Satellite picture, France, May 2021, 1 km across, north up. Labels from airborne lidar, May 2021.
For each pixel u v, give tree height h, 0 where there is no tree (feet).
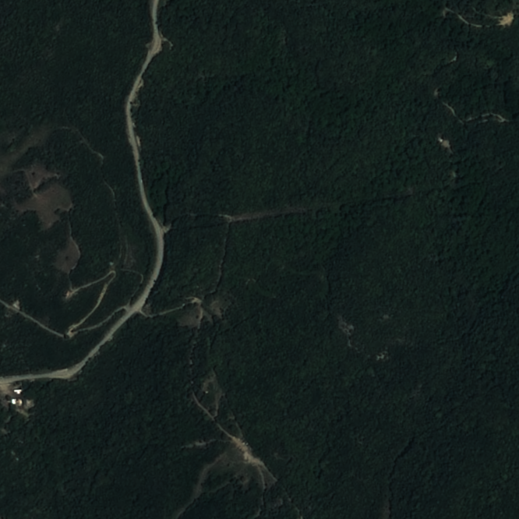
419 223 43
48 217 0
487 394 61
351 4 46
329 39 31
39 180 0
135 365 35
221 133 52
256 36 40
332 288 40
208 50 51
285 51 33
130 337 27
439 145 23
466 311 19
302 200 50
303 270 27
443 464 31
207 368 35
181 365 33
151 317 29
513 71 43
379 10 39
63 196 0
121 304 24
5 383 0
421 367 46
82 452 34
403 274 32
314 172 46
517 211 21
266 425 30
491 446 28
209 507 33
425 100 49
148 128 30
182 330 28
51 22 20
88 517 26
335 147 58
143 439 40
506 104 49
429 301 46
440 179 41
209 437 19
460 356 46
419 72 63
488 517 38
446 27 67
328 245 21
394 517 34
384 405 34
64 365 22
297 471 34
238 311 30
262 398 25
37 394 47
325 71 38
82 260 19
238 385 37
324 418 43
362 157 50
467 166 68
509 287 50
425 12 30
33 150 24
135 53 26
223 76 36
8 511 30
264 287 31
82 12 26
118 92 34
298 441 25
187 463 26
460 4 47
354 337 20
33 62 20
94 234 26
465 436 31
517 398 49
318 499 33
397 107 54
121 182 27
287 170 32
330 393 19
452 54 53
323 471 40
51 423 40
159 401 34
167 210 52
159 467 31
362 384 39
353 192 58
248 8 56
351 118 55
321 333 33
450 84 53
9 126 26
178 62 34
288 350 33
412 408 32
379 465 39
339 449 35
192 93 52
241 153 29
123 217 31
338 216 61
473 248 31
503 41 21
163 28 45
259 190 37
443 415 27
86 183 23
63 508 32
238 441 0
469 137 28
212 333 23
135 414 44
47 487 45
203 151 43
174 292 43
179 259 23
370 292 21
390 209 51
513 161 18
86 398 24
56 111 24
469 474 29
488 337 49
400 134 38
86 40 22
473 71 62
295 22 55
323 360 35
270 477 0
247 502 23
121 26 28
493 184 22
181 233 20
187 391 23
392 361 25
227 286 39
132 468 34
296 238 54
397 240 28
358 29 54
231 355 42
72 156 24
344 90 56
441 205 48
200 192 42
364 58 53
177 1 76
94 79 27
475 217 37
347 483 34
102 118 33
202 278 33
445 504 29
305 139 36
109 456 29
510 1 37
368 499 22
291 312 30
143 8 24
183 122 46
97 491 22
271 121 40
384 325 23
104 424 19
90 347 20
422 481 37
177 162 54
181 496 22
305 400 38
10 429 19
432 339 47
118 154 24
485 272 41
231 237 43
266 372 33
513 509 27
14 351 23
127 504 35
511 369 44
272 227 45
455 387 31
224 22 60
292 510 33
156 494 25
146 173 33
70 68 20
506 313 39
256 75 44
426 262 74
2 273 17
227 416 30
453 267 37
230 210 32
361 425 19
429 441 27
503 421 56
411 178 51
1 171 0
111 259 26
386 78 57
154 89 38
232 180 37
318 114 73
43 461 30
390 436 26
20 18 31
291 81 58
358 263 25
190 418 37
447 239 56
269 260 38
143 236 30
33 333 20
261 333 52
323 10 71
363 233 28
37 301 18
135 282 32
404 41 36
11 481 21
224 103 45
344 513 30
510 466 38
